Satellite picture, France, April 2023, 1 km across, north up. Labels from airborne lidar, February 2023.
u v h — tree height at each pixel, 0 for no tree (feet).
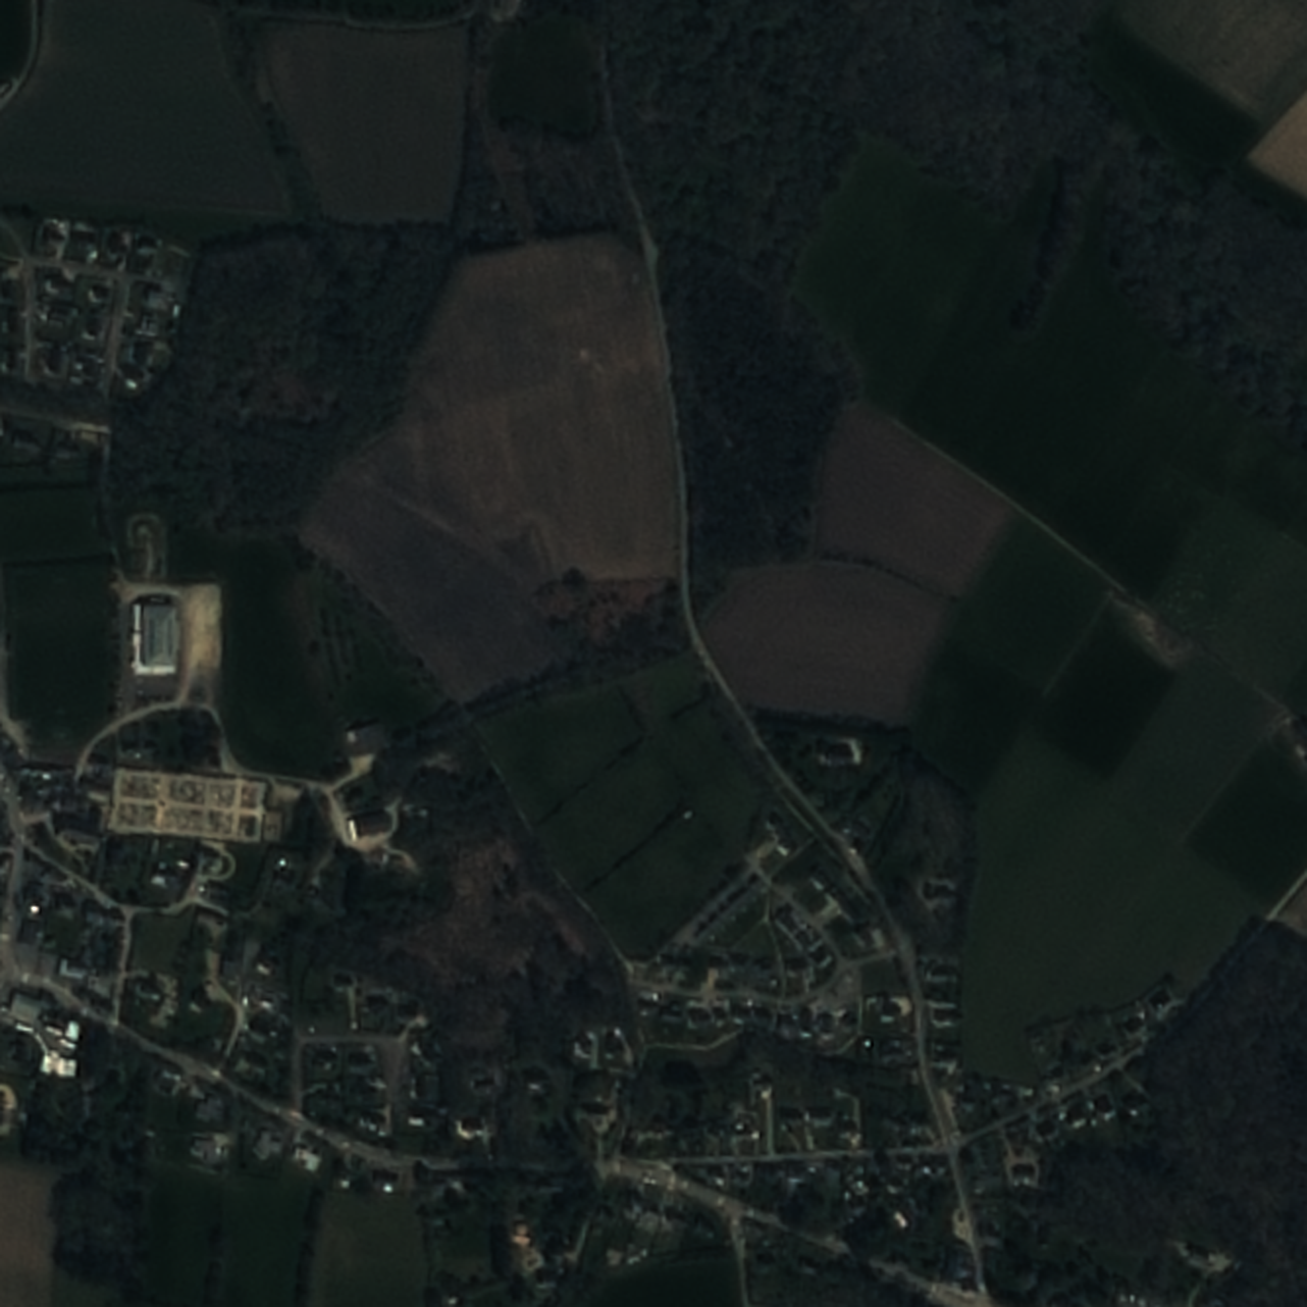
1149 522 0
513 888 25
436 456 0
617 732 0
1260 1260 79
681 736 0
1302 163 0
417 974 48
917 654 0
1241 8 0
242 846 0
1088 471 0
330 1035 0
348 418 52
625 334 0
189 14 0
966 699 0
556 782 0
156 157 0
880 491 0
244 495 51
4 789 0
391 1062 0
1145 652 0
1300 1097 70
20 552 0
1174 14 0
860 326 0
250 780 0
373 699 0
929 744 0
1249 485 0
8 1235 0
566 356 0
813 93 41
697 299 53
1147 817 0
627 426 0
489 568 0
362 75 0
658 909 0
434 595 0
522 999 37
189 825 0
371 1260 0
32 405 39
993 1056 0
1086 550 0
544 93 0
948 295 0
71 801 29
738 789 0
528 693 22
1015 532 0
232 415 34
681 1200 0
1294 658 0
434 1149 42
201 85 0
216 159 0
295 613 0
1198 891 0
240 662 0
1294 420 54
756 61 44
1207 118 0
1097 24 0
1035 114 53
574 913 39
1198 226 32
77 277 0
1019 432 0
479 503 0
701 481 51
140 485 56
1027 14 73
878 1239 47
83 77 0
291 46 0
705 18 29
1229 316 76
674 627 33
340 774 25
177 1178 0
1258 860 0
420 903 30
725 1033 0
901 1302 43
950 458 0
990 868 0
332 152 0
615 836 0
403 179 0
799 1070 47
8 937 0
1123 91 0
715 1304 0
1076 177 76
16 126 0
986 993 0
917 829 57
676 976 0
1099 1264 0
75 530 0
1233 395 34
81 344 0
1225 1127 88
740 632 0
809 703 0
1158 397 0
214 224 0
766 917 0
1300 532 0
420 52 0
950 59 81
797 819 0
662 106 46
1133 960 0
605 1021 57
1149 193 27
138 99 0
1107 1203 52
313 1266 22
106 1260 75
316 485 41
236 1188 0
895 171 0
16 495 0
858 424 0
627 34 47
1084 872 0
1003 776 0
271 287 53
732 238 50
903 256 0
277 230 24
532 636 0
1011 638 0
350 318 44
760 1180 39
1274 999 99
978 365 0
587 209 40
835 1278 32
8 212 30
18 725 0
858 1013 0
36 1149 58
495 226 49
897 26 72
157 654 0
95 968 20
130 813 0
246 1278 0
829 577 0
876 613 0
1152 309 72
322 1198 32
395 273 45
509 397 0
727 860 0
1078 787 0
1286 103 0
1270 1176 86
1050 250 60
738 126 41
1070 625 0
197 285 54
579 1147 29
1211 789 0
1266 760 0
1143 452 0
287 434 32
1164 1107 71
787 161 32
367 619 28
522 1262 0
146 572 0
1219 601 0
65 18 0
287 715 0
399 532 0
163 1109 0
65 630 0
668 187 24
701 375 52
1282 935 43
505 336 0
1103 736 0
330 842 37
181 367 47
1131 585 0
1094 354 0
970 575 0
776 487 52
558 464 0
